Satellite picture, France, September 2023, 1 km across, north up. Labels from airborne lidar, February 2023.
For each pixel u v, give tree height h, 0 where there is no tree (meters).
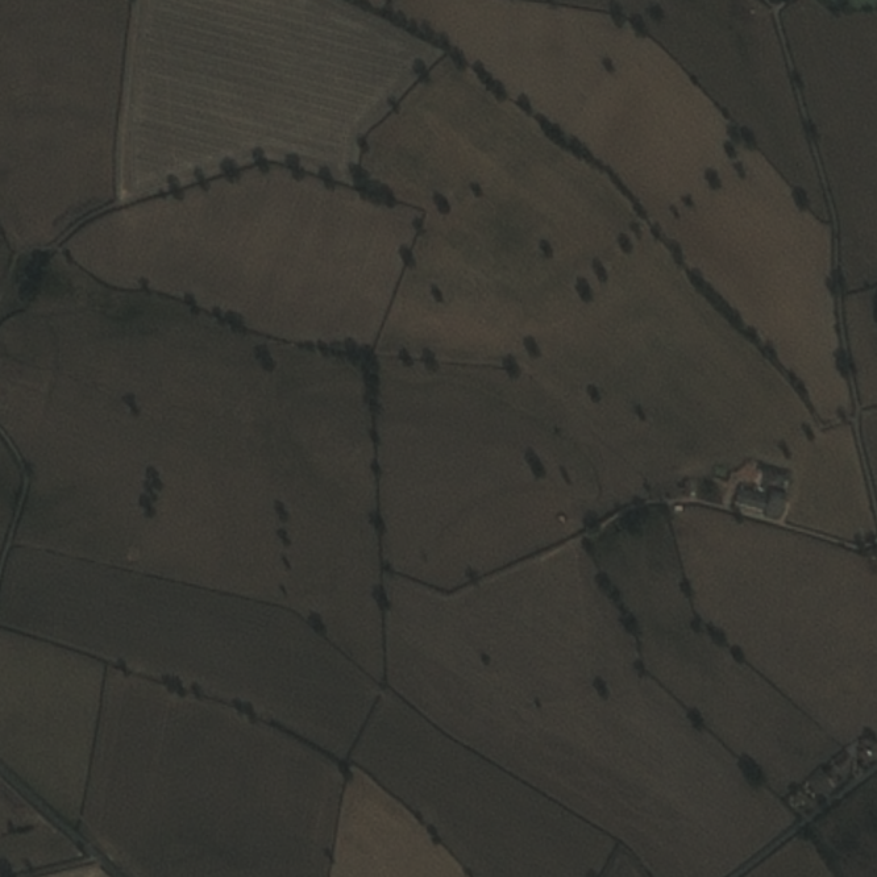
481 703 0
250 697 0
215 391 0
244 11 0
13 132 0
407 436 0
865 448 0
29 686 0
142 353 0
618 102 0
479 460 0
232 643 0
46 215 0
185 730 0
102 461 0
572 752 0
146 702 0
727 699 0
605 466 0
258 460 0
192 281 0
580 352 0
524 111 13
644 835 0
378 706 0
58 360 0
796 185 0
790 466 0
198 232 0
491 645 0
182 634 0
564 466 0
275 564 0
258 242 0
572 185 0
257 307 0
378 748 0
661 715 0
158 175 0
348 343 0
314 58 0
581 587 0
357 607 0
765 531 0
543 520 0
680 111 0
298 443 0
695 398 0
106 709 0
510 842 0
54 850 0
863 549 12
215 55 0
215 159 0
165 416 0
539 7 0
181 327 0
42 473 0
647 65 0
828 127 0
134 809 0
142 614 0
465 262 0
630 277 0
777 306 0
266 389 0
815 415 0
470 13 0
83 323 0
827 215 0
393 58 0
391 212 0
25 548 0
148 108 0
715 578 0
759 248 0
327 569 0
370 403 17
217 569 0
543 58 0
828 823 0
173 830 0
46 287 0
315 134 0
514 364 13
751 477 0
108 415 0
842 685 0
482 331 0
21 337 0
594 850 0
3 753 0
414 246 0
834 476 0
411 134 0
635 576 0
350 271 0
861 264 0
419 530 0
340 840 0
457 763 0
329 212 0
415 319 0
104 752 0
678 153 0
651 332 0
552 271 0
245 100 0
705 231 0
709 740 0
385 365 0
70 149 0
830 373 0
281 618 0
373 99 0
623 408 0
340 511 0
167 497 0
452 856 0
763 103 0
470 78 0
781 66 0
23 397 0
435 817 0
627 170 0
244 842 0
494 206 0
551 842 0
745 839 0
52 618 0
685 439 0
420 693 0
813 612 0
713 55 0
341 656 0
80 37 0
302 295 0
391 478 0
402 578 0
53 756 0
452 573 0
